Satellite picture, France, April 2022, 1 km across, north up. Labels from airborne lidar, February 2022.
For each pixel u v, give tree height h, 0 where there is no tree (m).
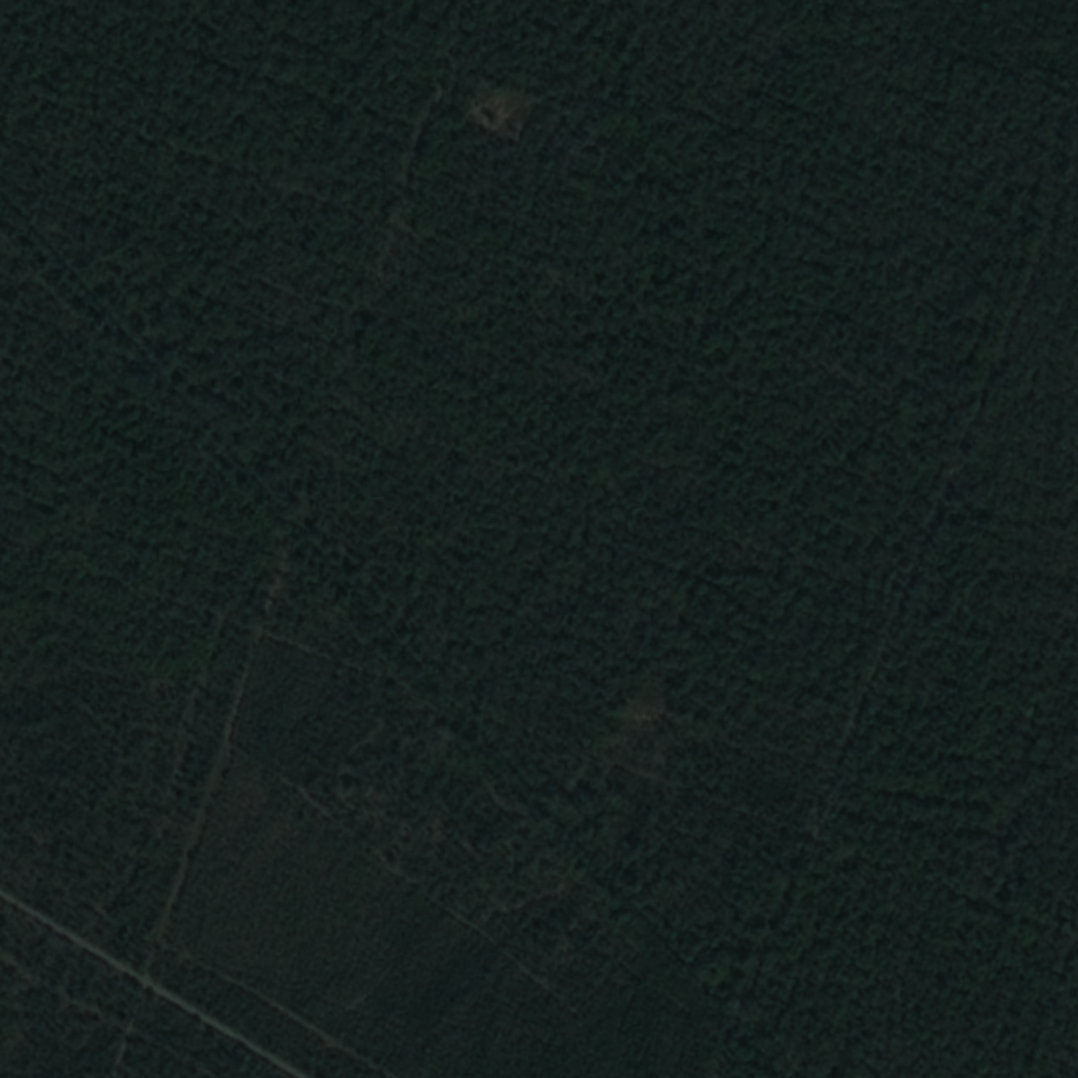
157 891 10
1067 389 18
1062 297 19
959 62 18
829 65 20
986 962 22
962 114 19
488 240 14
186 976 13
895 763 17
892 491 18
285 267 14
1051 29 19
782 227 17
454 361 12
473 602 17
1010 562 16
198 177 19
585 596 21
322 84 23
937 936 21
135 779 19
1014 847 11
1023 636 19
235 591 16
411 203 15
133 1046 12
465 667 20
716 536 20
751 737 13
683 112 17
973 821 20
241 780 10
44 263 19
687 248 21
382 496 16
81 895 11
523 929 12
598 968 14
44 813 13
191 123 15
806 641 11
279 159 21
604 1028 9
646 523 17
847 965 16
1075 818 15
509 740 22
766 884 17
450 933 9
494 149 17
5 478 18
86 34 18
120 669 12
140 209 17
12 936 22
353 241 9
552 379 13
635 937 9
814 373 21
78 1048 9
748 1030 11
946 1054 15
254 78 20
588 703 15
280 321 16
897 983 17
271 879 10
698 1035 13
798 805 14
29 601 17
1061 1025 21
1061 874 20
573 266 15
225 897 9
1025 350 17
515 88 19
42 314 17
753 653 10
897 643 19
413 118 19
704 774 17
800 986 19
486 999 11
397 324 14
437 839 16
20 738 13
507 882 15
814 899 9
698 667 17
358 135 21
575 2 20
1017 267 20
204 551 16
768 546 14
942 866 19
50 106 17
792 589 21
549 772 20
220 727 12
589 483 16
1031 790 16
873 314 17
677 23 15
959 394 20
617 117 15
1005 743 19
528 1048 9
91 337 20
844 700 17
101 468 15
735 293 15
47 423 17
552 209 18
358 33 19
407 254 17
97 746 12
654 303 16
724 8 16
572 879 16
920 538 19
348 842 10
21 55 9
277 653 7
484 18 19
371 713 8
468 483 16
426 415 19
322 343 16
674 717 19
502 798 19
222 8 18
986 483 16
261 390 18
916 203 19
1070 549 9
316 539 19
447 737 22
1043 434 16
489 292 17
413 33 18
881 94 19
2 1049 16
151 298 19
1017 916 21
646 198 20
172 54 18
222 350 19
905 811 23
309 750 10
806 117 16
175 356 23
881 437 20
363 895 8
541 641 21
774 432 19
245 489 19
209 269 18
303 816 10
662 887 18
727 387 19
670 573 15
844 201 20
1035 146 19
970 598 18
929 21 7
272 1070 14
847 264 17
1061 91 19
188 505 19
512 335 14
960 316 8
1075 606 15
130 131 16
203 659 16
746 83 15
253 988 6
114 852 12
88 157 17
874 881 16
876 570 20
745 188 20
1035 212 19
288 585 17
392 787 18
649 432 15
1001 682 21
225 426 20
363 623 16
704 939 14
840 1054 16
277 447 15
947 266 19
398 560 17
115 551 15
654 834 20
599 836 21
